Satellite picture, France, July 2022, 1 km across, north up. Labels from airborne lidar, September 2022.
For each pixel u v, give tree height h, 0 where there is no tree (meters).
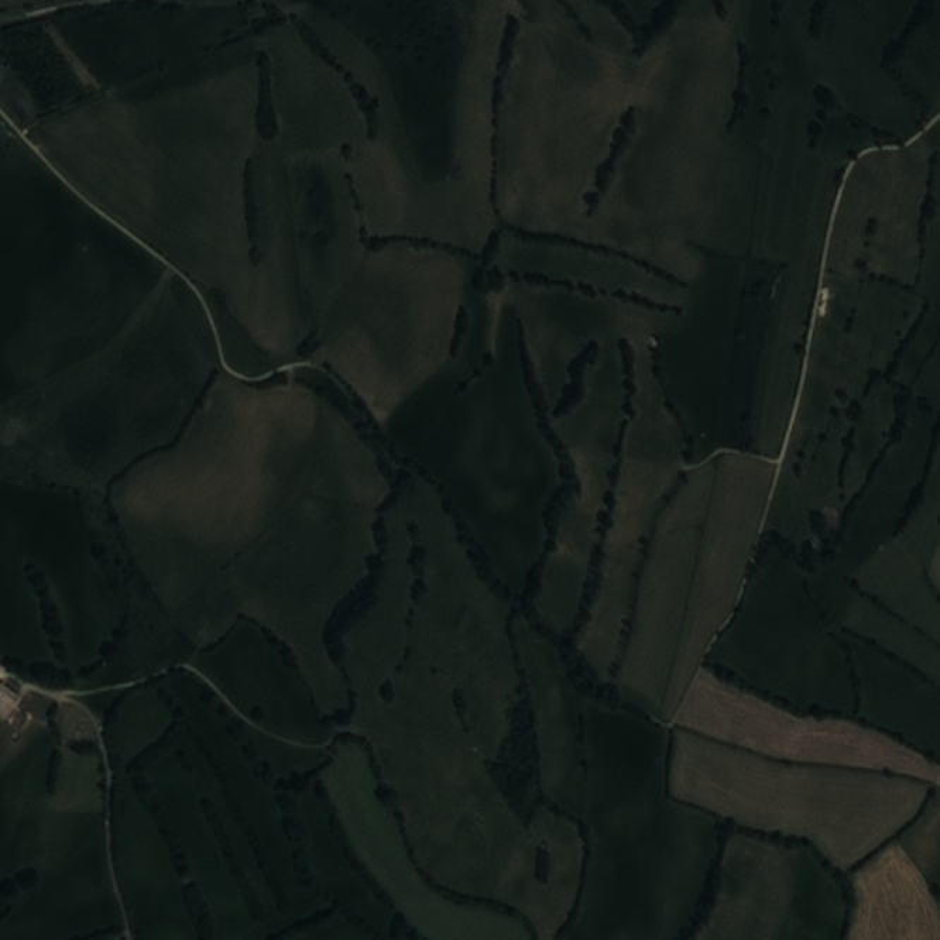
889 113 0
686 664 0
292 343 0
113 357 0
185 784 0
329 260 0
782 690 0
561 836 0
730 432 0
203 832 0
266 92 7
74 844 0
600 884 0
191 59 0
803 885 0
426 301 0
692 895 0
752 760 0
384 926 0
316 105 0
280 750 0
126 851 0
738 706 0
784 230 0
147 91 0
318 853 0
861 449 0
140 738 0
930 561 0
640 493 0
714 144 0
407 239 7
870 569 0
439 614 0
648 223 0
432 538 0
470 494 0
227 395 0
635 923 0
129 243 0
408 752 0
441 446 0
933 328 0
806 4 0
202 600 0
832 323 0
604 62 0
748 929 0
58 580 0
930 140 0
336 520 0
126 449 0
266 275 0
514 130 0
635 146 0
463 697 11
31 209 0
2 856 0
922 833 0
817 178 0
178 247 0
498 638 0
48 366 0
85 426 0
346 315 0
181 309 0
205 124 0
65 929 0
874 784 0
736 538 0
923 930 0
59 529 0
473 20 0
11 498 0
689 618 0
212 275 0
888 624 0
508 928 0
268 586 0
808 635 0
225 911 0
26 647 0
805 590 7
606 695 18
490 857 0
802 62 0
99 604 0
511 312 0
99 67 0
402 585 0
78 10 6
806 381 0
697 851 0
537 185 0
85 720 0
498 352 0
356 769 0
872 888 0
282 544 0
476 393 0
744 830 7
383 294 0
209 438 0
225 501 0
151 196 0
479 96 0
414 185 0
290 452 0
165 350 0
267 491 0
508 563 0
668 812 0
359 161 0
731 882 0
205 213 0
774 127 0
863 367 0
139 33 0
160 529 0
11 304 0
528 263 0
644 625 0
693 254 0
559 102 0
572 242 8
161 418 0
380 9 0
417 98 0
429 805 0
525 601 16
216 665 0
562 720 0
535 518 0
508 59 9
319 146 0
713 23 0
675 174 0
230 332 0
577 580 0
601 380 0
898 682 0
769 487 0
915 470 0
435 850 0
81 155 0
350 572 0
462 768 0
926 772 0
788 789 0
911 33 8
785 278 0
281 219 0
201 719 0
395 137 0
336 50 0
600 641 0
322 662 0
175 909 0
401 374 0
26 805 0
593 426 0
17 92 0
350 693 7
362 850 0
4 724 0
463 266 0
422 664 0
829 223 0
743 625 0
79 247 0
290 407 0
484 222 0
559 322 0
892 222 0
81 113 0
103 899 0
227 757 0
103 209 0
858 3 0
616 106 0
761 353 0
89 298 0
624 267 0
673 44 0
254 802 0
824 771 0
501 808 0
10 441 0
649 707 0
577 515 0
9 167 0
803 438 0
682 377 0
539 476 0
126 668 0
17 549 0
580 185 0
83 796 0
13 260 0
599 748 0
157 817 9
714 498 0
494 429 0
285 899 6
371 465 0
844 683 0
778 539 17
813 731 0
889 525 0
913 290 6
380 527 13
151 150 0
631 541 0
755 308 0
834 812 0
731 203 0
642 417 0
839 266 0
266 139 6
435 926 0
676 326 0
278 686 0
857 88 0
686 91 0
